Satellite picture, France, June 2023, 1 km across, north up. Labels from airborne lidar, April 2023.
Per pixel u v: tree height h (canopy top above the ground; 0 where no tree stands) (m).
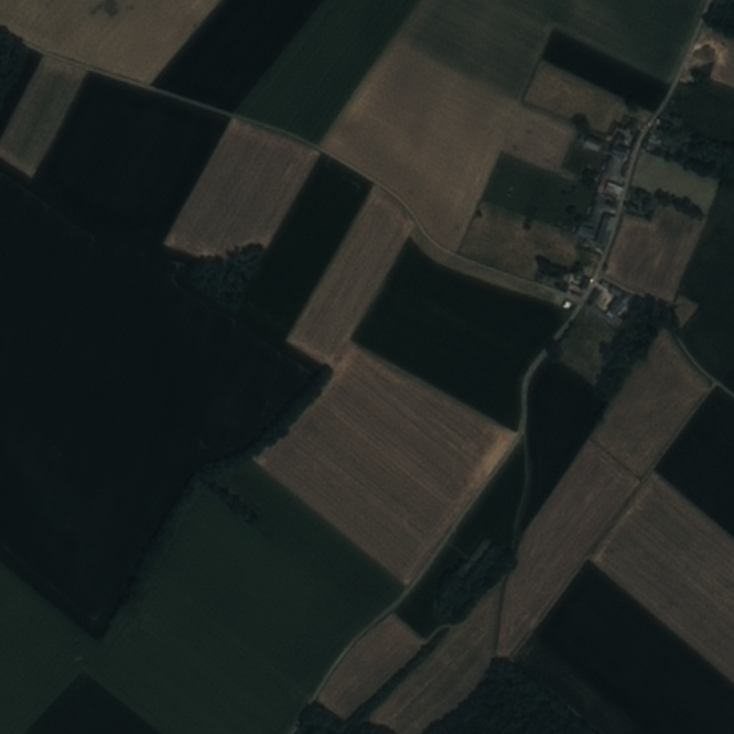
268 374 0
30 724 0
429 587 0
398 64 0
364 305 0
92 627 0
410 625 0
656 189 0
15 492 0
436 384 0
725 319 0
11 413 0
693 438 0
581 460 0
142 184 0
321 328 0
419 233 0
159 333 0
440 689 0
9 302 0
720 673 0
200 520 0
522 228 0
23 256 0
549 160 0
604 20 0
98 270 0
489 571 17
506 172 0
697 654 0
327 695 0
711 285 0
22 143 0
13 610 0
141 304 0
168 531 17
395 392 0
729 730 0
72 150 0
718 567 0
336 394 0
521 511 0
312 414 0
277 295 0
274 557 0
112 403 0
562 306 0
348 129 0
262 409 0
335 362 0
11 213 0
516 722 17
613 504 0
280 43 0
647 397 0
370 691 0
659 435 0
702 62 0
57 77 0
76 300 0
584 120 16
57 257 0
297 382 0
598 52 0
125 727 0
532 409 0
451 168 0
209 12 0
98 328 0
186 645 0
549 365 0
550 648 0
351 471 0
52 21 0
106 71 0
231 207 0
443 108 0
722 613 0
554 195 0
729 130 0
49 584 0
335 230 0
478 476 0
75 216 0
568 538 0
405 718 0
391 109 0
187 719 0
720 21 14
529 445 0
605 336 0
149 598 0
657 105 0
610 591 0
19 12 0
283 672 0
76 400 0
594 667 0
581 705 0
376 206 0
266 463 0
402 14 0
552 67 0
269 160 0
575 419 0
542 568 0
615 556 0
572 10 0
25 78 0
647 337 8
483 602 0
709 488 0
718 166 16
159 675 0
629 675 0
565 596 0
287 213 0
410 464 0
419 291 0
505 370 0
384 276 0
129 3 0
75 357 0
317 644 0
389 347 0
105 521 0
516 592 0
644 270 0
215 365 0
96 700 0
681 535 0
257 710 0
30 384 0
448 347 0
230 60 0
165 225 0
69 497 0
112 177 0
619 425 0
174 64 0
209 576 0
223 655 0
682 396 0
